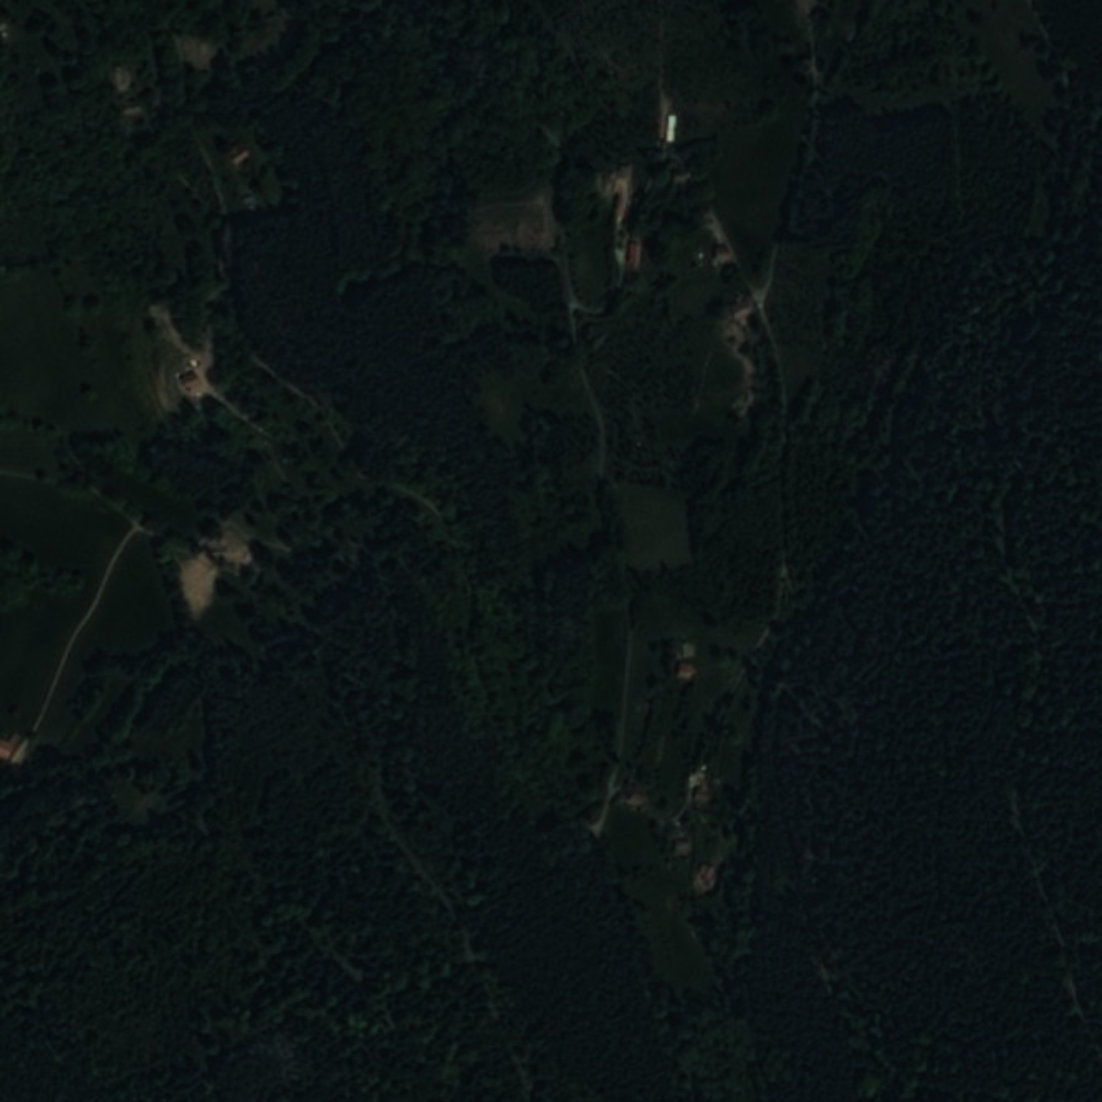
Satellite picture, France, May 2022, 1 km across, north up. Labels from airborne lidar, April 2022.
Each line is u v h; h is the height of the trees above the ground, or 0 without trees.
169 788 23
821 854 33
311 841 19
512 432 0
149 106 6
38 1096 22
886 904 20
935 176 26
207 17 23
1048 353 30
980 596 26
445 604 5
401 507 20
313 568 19
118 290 11
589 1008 20
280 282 32
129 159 17
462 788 18
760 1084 24
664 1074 18
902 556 28
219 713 19
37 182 15
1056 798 27
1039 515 23
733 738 15
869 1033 7
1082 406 29
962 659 30
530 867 22
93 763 15
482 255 0
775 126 0
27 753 0
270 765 7
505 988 20
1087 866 16
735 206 0
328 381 28
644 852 0
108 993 7
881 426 16
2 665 0
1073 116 9
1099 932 13
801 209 24
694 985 0
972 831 28
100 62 14
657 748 0
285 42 31
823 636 29
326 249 22
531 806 6
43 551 0
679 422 0
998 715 25
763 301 0
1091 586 28
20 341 0
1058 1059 26
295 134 23
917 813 23
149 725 21
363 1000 17
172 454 23
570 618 33
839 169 26
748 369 0
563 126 22
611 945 21
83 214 18
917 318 10
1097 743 25
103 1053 8
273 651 26
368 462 33
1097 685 23
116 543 0
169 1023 7
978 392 25
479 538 26
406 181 31
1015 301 29
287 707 13
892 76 14
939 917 24
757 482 12
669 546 0
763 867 21
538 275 16
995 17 0
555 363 10
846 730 36
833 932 31
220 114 29
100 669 16
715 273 0
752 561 12
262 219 21
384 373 33
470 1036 14
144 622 0
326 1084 16
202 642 22
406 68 15
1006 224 13
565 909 21
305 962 18
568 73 18
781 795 23
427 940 8
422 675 22
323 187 33
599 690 0
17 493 0
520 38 19
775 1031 30
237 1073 22
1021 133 11
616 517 16
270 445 0
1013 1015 24
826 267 0
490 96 31
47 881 7
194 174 8
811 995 31
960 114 7
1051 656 16
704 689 0
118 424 0
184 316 21
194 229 22
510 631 24
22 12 0
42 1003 9
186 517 0
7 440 0
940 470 29
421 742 28
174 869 7
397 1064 18
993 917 26
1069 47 16
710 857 0
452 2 26
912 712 29
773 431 16
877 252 10
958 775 21
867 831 29
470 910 18
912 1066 19
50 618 0
